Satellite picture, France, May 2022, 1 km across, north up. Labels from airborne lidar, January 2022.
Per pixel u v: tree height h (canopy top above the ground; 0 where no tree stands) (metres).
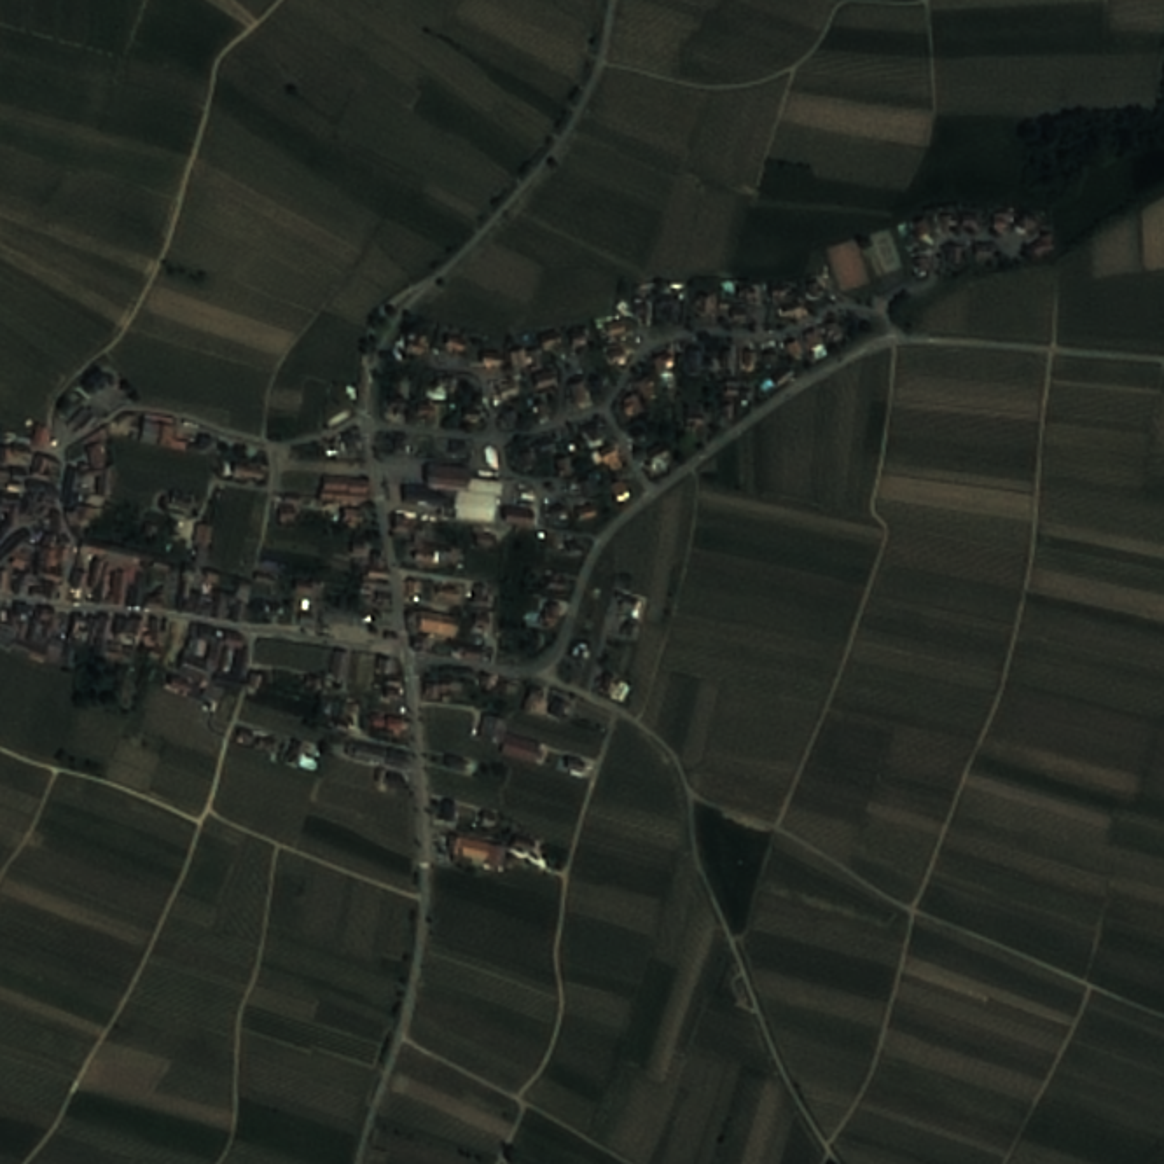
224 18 0
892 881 0
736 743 0
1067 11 0
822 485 0
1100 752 0
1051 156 6
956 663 0
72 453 0
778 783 0
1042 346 0
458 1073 0
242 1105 0
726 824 0
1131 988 0
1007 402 0
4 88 0
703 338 12
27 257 0
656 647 0
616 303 0
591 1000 0
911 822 0
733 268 0
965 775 0
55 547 0
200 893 0
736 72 0
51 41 0
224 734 0
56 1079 0
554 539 0
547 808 0
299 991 0
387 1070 0
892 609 0
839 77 0
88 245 0
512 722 0
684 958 0
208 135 0
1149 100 0
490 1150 0
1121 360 0
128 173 0
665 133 0
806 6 0
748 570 0
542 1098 0
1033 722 0
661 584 0
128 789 0
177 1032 0
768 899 0
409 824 0
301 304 0
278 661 0
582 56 0
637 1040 0
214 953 0
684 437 11
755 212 0
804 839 0
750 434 0
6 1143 0
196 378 0
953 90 0
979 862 0
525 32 0
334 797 0
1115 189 0
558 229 0
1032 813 0
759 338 0
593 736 0
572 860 0
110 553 0
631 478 0
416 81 0
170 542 0
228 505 0
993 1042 0
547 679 0
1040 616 0
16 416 0
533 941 0
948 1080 0
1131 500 0
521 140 0
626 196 0
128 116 0
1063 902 0
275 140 0
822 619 0
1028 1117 0
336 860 0
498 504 0
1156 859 0
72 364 0
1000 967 0
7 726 0
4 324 0
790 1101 0
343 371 0
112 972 0
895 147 0
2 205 0
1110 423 0
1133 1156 0
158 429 0
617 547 0
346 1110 0
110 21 0
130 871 0
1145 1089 0
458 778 0
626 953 0
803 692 0
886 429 0
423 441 0
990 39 0
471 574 0
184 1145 0
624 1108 0
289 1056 0
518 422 11
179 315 0
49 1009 0
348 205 0
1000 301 0
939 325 0
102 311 0
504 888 0
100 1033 0
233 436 0
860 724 0
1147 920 0
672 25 0
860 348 0
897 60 0
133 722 0
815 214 0
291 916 0
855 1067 0
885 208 0
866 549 0
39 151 0
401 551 0
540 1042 0
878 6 0
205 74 0
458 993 0
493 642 0
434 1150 0
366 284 0
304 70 0
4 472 0
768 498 0
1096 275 0
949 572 0
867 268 0
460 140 0
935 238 0
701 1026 0
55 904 0
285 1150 0
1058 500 0
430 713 0
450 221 0
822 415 0
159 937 0
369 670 0
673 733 0
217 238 0
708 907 0
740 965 0
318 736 0
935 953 0
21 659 0
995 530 0
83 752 0
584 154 0
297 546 0
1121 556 0
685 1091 0
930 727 0
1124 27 0
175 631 0
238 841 0
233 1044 0
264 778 0
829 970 0
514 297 0
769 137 0
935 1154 0
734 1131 0
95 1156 0
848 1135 0
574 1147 0
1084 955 0
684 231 0
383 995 0
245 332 0
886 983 0
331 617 0
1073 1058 0
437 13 0
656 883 0
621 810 0
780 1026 0
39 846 0
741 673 0
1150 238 0
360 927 0
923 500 0
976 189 0
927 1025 0
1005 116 0
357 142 0
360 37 0
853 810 0
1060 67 0
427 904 0
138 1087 0
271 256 0
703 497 0
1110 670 0
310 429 0
